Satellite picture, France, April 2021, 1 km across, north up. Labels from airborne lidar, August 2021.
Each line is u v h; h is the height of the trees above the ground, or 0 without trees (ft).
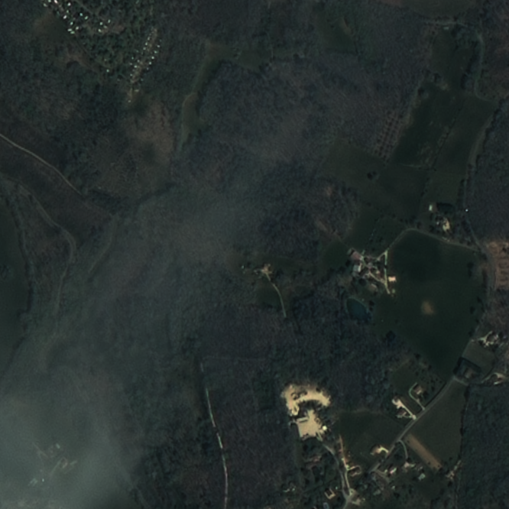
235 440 25
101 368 23
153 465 37
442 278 0
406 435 0
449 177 0
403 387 0
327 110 47
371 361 60
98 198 37
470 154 0
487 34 30
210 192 54
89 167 31
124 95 35
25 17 62
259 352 62
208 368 62
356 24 61
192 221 56
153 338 37
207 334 70
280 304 0
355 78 62
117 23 58
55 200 23
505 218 58
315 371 56
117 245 23
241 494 36
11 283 0
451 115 0
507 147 65
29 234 47
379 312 0
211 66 0
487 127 0
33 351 82
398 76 62
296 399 0
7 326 0
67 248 65
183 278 64
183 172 77
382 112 51
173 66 56
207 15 47
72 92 52
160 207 64
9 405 63
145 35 46
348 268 32
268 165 63
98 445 46
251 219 71
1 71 45
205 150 89
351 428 0
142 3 46
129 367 71
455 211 59
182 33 42
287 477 43
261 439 37
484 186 67
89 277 60
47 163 20
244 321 69
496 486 70
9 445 0
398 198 0
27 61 66
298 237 73
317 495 21
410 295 0
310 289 29
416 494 29
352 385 58
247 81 52
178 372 50
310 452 30
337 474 37
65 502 0
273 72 30
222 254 39
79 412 46
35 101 46
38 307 78
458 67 0
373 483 25
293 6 66
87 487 0
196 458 77
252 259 49
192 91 68
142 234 58
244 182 63
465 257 0
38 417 0
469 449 50
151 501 65
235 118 75
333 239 31
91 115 31
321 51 57
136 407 63
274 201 61
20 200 52
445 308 0
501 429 52
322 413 46
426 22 45
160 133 0
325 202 79
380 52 52
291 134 52
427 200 0
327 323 70
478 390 63
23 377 80
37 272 50
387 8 47
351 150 0
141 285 57
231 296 77
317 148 78
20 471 0
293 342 59
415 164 0
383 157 22
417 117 0
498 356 59
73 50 64
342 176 0
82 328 26
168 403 87
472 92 39
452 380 0
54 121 38
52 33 0
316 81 46
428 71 57
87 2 34
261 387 32
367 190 0
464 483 68
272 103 41
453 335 0
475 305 0
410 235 0
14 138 26
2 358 0
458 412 0
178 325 82
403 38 64
